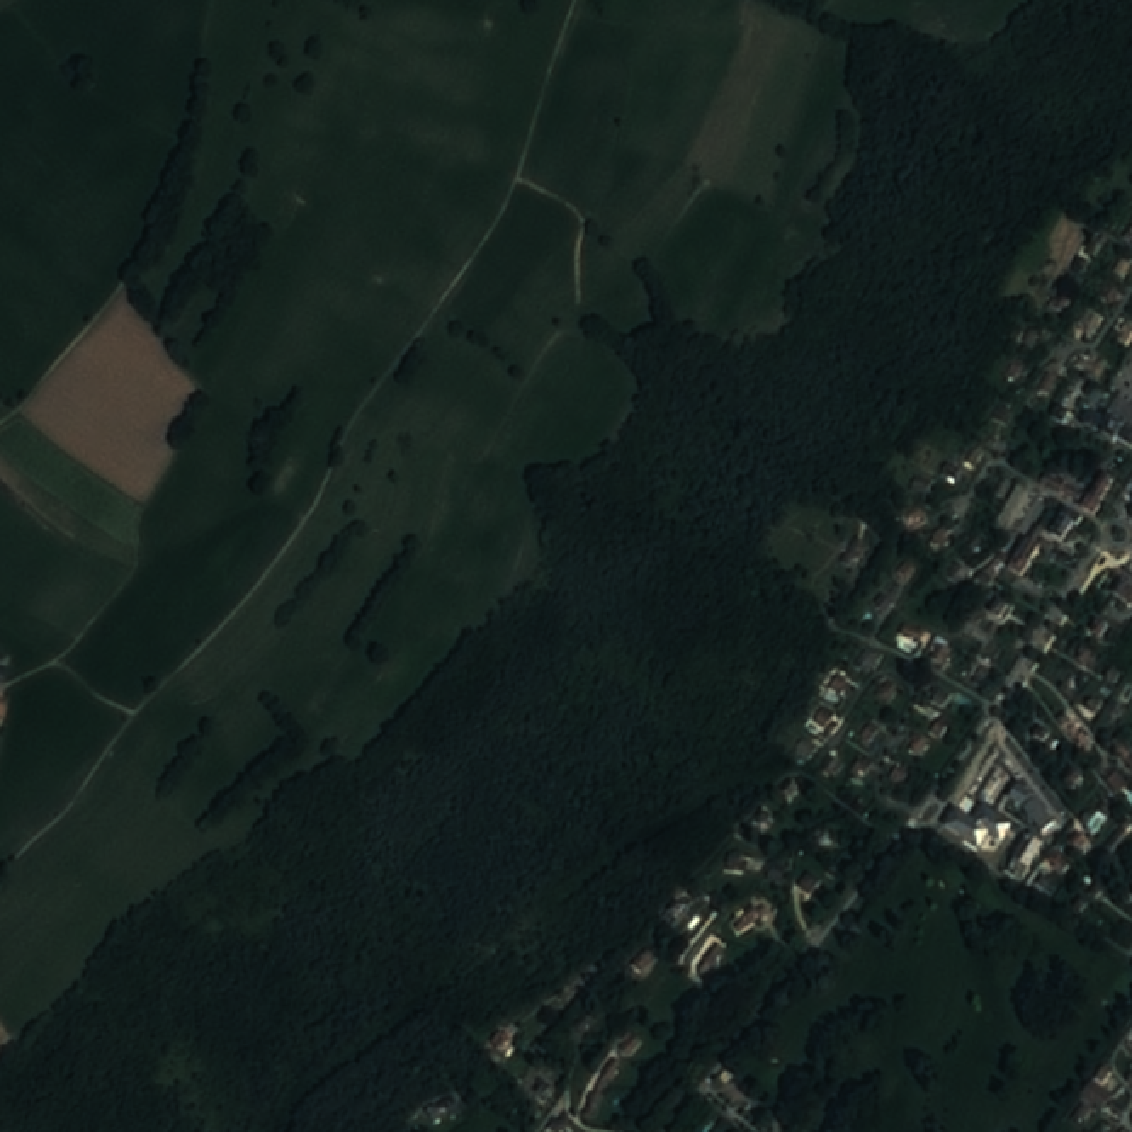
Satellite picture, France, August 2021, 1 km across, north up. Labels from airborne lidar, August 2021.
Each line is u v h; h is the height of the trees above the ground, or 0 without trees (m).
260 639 0
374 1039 7
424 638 0
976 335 18
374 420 0
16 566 0
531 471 9
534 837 17
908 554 21
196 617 0
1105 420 0
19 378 0
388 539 0
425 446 0
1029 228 23
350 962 15
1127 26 23
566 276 0
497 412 0
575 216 0
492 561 0
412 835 14
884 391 14
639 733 18
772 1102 17
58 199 0
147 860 0
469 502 0
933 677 16
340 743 10
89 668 0
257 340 0
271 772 24
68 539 0
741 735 7
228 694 0
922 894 0
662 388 18
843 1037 29
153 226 13
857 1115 27
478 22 0
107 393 0
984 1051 0
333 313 0
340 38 0
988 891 0
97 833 0
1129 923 9
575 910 7
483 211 0
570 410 0
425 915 18
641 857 26
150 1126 12
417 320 0
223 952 18
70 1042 17
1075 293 26
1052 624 13
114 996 11
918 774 11
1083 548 10
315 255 0
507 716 18
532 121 0
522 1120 10
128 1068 21
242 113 16
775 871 0
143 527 0
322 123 0
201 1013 13
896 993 0
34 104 0
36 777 0
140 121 0
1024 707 28
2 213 0
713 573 24
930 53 18
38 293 0
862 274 12
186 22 0
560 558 7
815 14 15
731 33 0
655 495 15
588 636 14
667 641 17
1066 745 8
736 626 12
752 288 0
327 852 20
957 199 17
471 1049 27
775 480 16
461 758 16
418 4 0
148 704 0
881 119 22
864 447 7
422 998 8
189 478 0
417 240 0
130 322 0
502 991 12
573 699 16
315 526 0
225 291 17
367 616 18
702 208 0
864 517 18
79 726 0
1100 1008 0
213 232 21
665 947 23
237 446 0
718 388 23
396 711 0
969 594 23
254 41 0
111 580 0
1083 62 22
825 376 14
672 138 0
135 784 0
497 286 0
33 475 0
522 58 0
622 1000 22
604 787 16
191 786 0
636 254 0
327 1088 25
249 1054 13
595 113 0
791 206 0
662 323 21
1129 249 8
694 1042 21
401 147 0
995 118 20
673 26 0
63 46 0
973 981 0
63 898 0
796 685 17
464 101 0
